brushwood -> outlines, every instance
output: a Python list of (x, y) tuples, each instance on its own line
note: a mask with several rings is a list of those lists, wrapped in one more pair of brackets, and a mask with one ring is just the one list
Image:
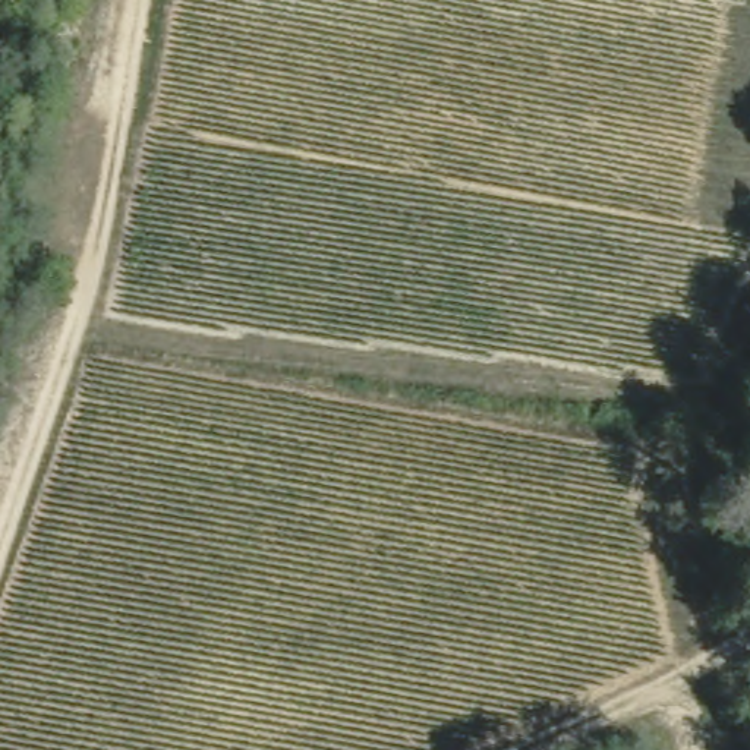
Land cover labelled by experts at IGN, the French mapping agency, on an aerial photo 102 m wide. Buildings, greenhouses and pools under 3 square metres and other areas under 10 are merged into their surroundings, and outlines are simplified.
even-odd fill
[(609, 422), (633, 422), (633, 413), (621, 407), (618, 396), (513, 396), (483, 393), (480, 387), (466, 384), (398, 381), (357, 372), (337, 375), (334, 384), (354, 396), (398, 393), (413, 407), (431, 407), (431, 401), (454, 401), (489, 413), (551, 413), (557, 419), (565, 416), (568, 422), (586, 422), (598, 428)]

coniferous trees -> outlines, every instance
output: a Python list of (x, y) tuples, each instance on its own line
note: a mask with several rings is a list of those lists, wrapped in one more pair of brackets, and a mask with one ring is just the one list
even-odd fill
[(718, 460), (718, 475), (724, 478), (724, 486), (709, 492), (700, 504), (706, 516), (703, 527), (709, 527), (706, 548), (709, 554), (715, 554), (715, 577), (703, 586), (703, 609), (709, 618), (721, 621), (721, 627), (729, 630), (732, 639), (750, 645), (750, 328), (738, 343), (747, 366), (747, 384), (735, 401), (738, 422), (727, 437), (727, 454)]
[(653, 750), (642, 747), (636, 741), (636, 729), (624, 724), (601, 727), (595, 741), (577, 744), (574, 750)]
[(21, 217), (23, 223), (23, 240), (12, 252), (0, 249), (0, 428), (6, 425), (9, 410), (18, 401), (18, 375), (26, 366), (23, 360), (18, 360), (18, 349), (23, 346), (23, 340), (35, 343), (50, 328), (56, 331), (62, 328), (64, 311), (35, 287), (53, 252), (44, 243), (50, 240), (56, 223), (50, 188), (56, 188), (62, 179), (64, 123), (50, 123), (44, 111), (41, 76), (32, 67), (32, 26), (38, 15), (62, 9), (64, 0), (0, 0), (0, 79), (18, 85), (23, 94), (12, 105), (12, 135), (0, 141), (0, 234), (6, 220)]

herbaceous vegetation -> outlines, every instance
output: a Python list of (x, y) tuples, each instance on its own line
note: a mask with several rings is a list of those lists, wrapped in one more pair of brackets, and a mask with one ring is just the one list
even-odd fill
[(656, 712), (633, 715), (624, 724), (636, 729), (636, 741), (642, 747), (653, 750), (677, 750), (671, 727), (659, 721)]
[(62, 179), (56, 188), (50, 188), (56, 223), (50, 240), (44, 243), (53, 252), (64, 252), (76, 261), (82, 255), (94, 211), (105, 144), (105, 120), (88, 108), (88, 100), (94, 94), (97, 79), (108, 79), (114, 73), (117, 35), (126, 0), (91, 0), (91, 12), (82, 23), (76, 23), (73, 35), (85, 44), (91, 62), (85, 73), (76, 73), (73, 114), (64, 123)]
[(44, 378), (47, 343), (56, 340), (56, 331), (50, 328), (35, 343), (23, 340), (23, 346), (18, 349), (18, 360), (23, 360), (26, 366), (18, 375), (18, 401), (9, 410), (6, 425), (0, 428), (0, 504), (6, 498), (12, 469), (18, 463), (18, 445), (26, 434), (35, 407), (35, 381)]
[(706, 135), (703, 182), (697, 196), (700, 223), (724, 223), (732, 249), (729, 258), (700, 258), (691, 267), (686, 293), (686, 305), (691, 308), (688, 319), (680, 319), (674, 313), (650, 319), (650, 346), (668, 375), (662, 387), (645, 384), (639, 378), (624, 378), (618, 384), (536, 363), (460, 363), (410, 352), (340, 352), (261, 337), (217, 340), (123, 325), (111, 319), (94, 325), (88, 319), (85, 337), (272, 366), (331, 369), (337, 375), (357, 372), (398, 381), (466, 384), (480, 387), (483, 393), (513, 396), (618, 396), (621, 407), (633, 413), (633, 422), (609, 422), (598, 428), (595, 437), (601, 442), (609, 442), (606, 463), (615, 480), (645, 492), (636, 513), (642, 524), (650, 530), (650, 554), (662, 565), (662, 589), (668, 595), (668, 615), (677, 639), (677, 653), (691, 656), (697, 650), (712, 650), (724, 656), (721, 668), (703, 668), (700, 674), (688, 677), (688, 688), (700, 703), (700, 718), (688, 718), (688, 727), (703, 750), (750, 750), (750, 645), (732, 639), (729, 630), (721, 627), (721, 621), (709, 618), (703, 609), (703, 586), (715, 577), (715, 554), (709, 554), (706, 548), (709, 527), (703, 527), (706, 516), (700, 504), (709, 492), (724, 486), (724, 478), (718, 475), (718, 460), (727, 454), (727, 437), (738, 422), (735, 401), (747, 384), (747, 366), (738, 343), (750, 328), (750, 0), (744, 0), (744, 6), (729, 9), (727, 50), (715, 82), (715, 108)]

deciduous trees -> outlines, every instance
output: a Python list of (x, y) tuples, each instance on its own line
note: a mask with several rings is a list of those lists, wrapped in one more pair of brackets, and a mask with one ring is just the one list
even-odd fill
[(70, 302), (70, 290), (76, 284), (76, 261), (64, 252), (53, 252), (35, 287), (64, 311)]
[(91, 62), (85, 44), (73, 35), (76, 23), (82, 23), (91, 12), (91, 0), (64, 0), (62, 9), (38, 15), (32, 26), (32, 67), (41, 76), (44, 111), (50, 123), (64, 123), (73, 114), (76, 73), (85, 73)]
[(23, 94), (18, 85), (0, 79), (0, 141), (12, 135), (12, 105)]
[(23, 240), (23, 223), (21, 217), (6, 220), (0, 234), (0, 249), (12, 252)]

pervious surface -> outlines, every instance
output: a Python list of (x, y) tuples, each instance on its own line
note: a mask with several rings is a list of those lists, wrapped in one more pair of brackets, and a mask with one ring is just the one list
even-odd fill
[(466, 718), (445, 721), (431, 732), (428, 750), (574, 750), (577, 744), (595, 741), (601, 727), (624, 724), (633, 715), (656, 712), (659, 721), (671, 727), (677, 750), (703, 750), (688, 727), (688, 718), (700, 718), (700, 703), (688, 688), (688, 677), (700, 674), (703, 668), (721, 668), (724, 656), (712, 650), (697, 650), (691, 656), (677, 653), (677, 639), (668, 615), (668, 595), (662, 589), (662, 565), (650, 554), (642, 557), (642, 568), (647, 577), (647, 595), (653, 601), (656, 630), (662, 642), (662, 650), (650, 662), (639, 662), (624, 674), (580, 688), (577, 703), (539, 700), (527, 703), (516, 715), (472, 712)]
[(56, 340), (47, 343), (44, 378), (35, 381), (35, 407), (26, 434), (18, 445), (18, 463), (12, 469), (6, 498), (0, 504), (0, 571), (15, 539), (35, 469), (41, 463), (53, 419), (59, 413), (76, 352), (85, 337), (88, 319), (114, 226), (120, 170), (135, 111), (141, 53), (146, 41), (152, 0), (126, 0), (117, 35), (114, 73), (108, 79), (97, 79), (94, 94), (88, 100), (88, 108), (105, 120), (105, 144), (94, 211), (82, 255), (76, 261), (76, 284), (70, 290), (70, 302), (64, 311), (62, 328), (56, 331)]

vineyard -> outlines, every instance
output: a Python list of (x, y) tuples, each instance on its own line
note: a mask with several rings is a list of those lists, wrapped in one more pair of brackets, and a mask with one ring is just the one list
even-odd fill
[(516, 715), (527, 703), (539, 700), (577, 703), (580, 688), (624, 674), (639, 662), (650, 662), (662, 650), (662, 642), (656, 630), (653, 601), (647, 595), (647, 577), (642, 568), (642, 557), (650, 554), (650, 530), (642, 524), (636, 513), (645, 492), (615, 480), (606, 463), (609, 442), (601, 442), (595, 437), (598, 428), (586, 422), (568, 422), (565, 416), (557, 419), (551, 413), (489, 413), (454, 401), (431, 401), (431, 407), (413, 407), (398, 393), (354, 396), (334, 384), (337, 375), (331, 369), (272, 366), (85, 337), (76, 352), (59, 413), (53, 419), (41, 463), (35, 469), (15, 539), (0, 571), (0, 750), (428, 750), (431, 732), (445, 721), (466, 718), (472, 712)]
[(706, 135), (715, 108), (715, 82), (727, 50), (729, 9), (744, 6), (744, 0), (152, 0), (146, 41), (141, 53), (135, 111), (120, 170), (114, 226), (88, 319), (94, 325), (111, 319), (123, 325), (217, 340), (261, 337), (340, 352), (410, 352), (460, 363), (536, 363), (618, 384), (624, 378), (639, 378), (645, 384), (662, 387), (668, 375), (650, 346), (650, 319), (674, 313), (680, 319), (688, 319), (691, 308), (686, 305), (686, 293), (691, 267), (700, 258), (729, 258), (732, 249), (724, 223), (700, 223), (697, 196), (703, 182)]

